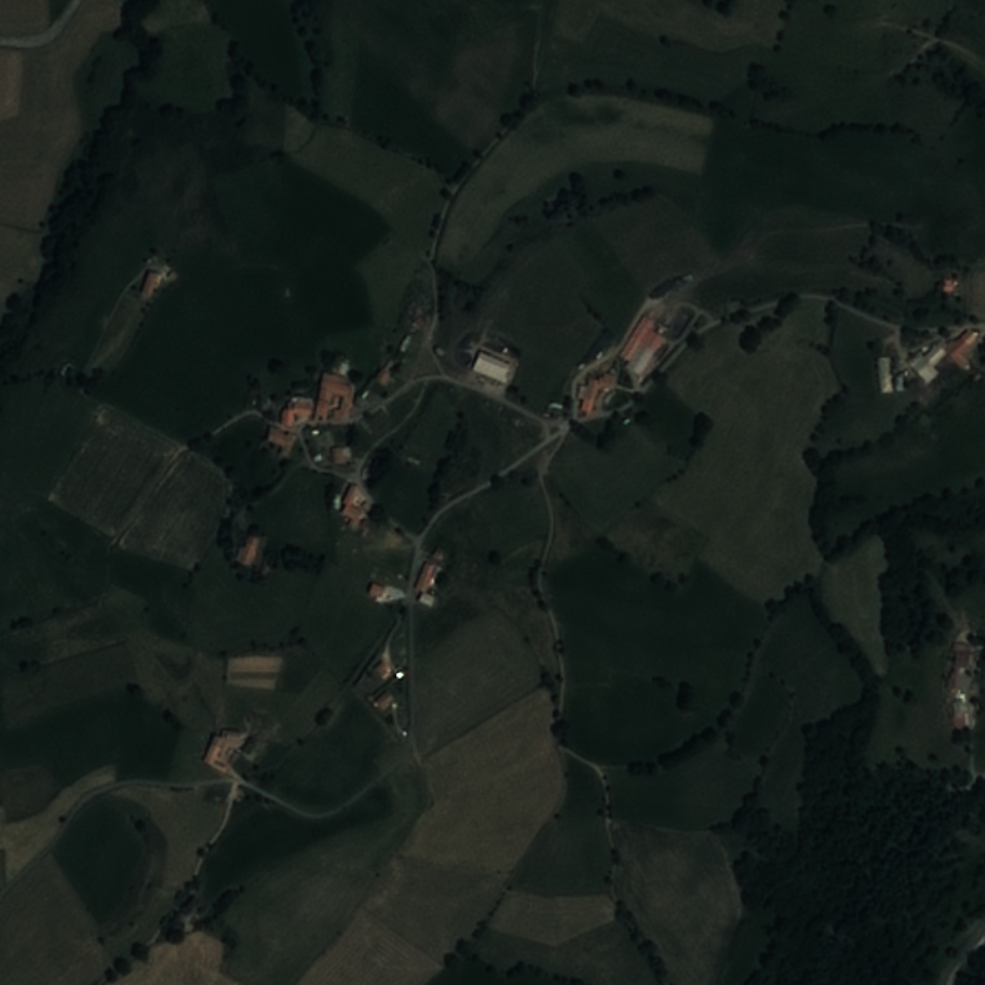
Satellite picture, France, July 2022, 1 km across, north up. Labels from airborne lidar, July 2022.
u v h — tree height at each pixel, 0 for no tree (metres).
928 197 0
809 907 19
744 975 0
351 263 0
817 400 0
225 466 7
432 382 0
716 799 0
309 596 0
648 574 0
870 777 16
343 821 0
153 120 0
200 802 0
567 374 0
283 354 0
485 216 0
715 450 0
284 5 0
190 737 0
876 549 0
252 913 0
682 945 0
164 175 0
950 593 12
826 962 23
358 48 0
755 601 0
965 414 0
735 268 0
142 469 0
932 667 0
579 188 11
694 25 0
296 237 0
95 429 0
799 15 0
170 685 0
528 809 0
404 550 0
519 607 0
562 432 0
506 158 0
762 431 0
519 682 0
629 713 0
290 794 0
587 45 0
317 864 0
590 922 0
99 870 0
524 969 11
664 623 0
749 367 0
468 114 0
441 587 10
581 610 0
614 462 0
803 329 0
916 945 21
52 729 0
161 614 0
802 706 0
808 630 0
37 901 0
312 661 0
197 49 0
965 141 0
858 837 14
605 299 0
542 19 0
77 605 0
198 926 8
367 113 0
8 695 0
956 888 22
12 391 0
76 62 0
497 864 0
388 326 0
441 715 0
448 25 0
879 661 0
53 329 0
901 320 0
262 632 0
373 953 0
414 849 0
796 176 0
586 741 0
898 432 10
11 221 0
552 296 0
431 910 0
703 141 0
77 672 0
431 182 0
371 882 0
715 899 0
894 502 0
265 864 0
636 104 0
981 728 0
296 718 0
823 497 15
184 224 0
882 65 0
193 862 0
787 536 0
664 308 0
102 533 0
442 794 0
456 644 0
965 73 13
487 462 0
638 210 0
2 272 0
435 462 0
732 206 0
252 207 0
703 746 13
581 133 0
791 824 0
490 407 0
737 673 0
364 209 0
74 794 0
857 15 0
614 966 0
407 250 0
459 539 0
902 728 0
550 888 0
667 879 0
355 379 18
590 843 0
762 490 0
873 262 10
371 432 0
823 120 0
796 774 0
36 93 0
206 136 0
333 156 0
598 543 6
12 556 0
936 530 17
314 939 0
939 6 0
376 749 0
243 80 20
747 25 0
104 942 7
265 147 0
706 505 0
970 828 11
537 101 18
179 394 0
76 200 15
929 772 12
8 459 0
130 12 17
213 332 0
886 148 0
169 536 0
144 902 0
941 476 0
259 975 0
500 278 0
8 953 0
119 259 0
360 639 0
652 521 0
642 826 0
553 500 0
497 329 0
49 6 0
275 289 0
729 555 0
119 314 0
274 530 0
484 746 0
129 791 0
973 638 12
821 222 0
